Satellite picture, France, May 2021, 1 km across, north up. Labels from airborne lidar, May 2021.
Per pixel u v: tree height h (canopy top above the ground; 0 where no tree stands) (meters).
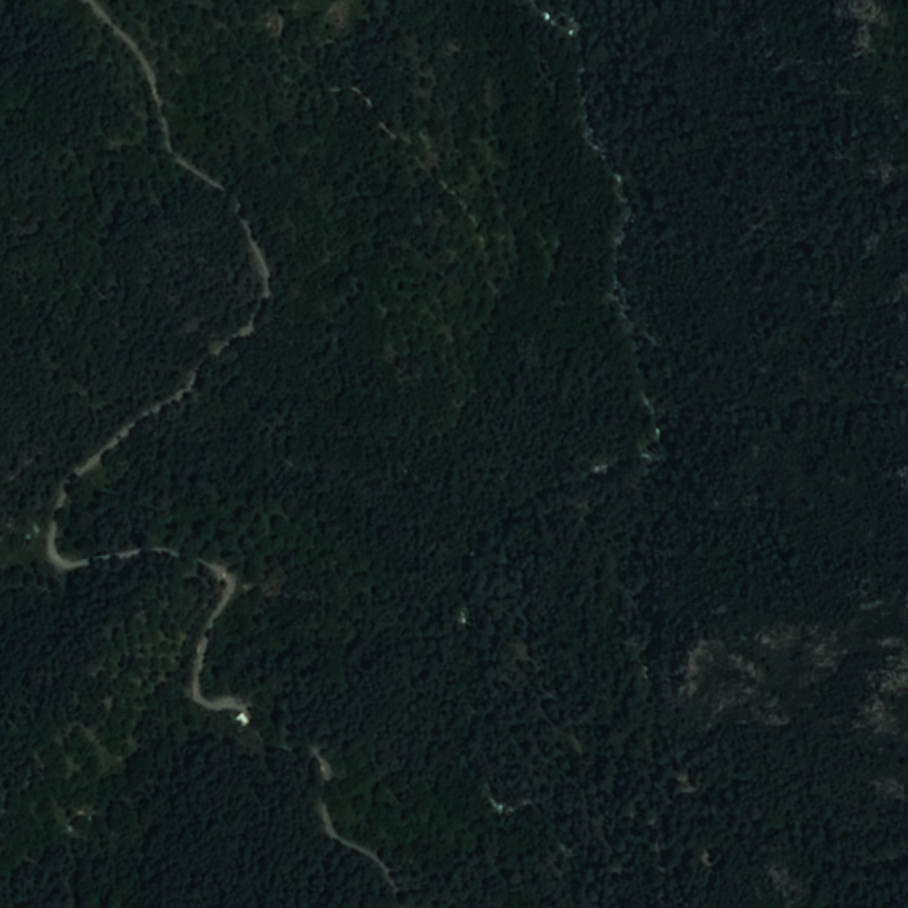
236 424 14
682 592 7
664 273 9
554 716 26
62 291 20
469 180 20
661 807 30
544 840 13
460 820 20
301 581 19
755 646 6
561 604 11
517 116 13
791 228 29
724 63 7
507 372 16
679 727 11
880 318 11
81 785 20
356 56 21
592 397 11
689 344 12
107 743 13
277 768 25
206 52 19
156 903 17
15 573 17
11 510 23
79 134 25
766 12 10
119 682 16
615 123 37
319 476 11
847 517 11
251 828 18
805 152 21
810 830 22
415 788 15
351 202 14
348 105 17
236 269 14
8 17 25
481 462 28
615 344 24
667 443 10
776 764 18
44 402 22
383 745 22
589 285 24
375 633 25
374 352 22
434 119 12
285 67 17
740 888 16
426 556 18
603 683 21
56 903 28
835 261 16
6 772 21
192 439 22
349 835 12
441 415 20
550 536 27
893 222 26
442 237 15
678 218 9
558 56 13
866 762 14
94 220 21
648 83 35
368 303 18
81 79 22
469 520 22
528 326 16
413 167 20
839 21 13
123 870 10
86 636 25
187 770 19
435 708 12
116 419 10
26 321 19
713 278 8
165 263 23
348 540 26
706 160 7
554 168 14
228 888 25
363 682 28
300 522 22
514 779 21
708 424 7
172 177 22
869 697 9
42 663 25
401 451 17
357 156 17
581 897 35
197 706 11
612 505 34
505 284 21
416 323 16
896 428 14
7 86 22
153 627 16
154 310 27
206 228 21
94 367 24
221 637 22
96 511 21
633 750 19
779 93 8
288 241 13
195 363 16
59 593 24
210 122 17
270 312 17
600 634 16
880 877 32
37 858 15
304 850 32
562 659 25
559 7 26
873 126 9
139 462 22
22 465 19
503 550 29
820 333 6
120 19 17
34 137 18
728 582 7
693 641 10
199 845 15
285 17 15
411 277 17
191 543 26
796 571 16
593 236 19
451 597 27
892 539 13
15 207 17
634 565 28
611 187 26
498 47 21
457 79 19
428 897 26
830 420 24
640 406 25
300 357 15
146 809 20
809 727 17
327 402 7
